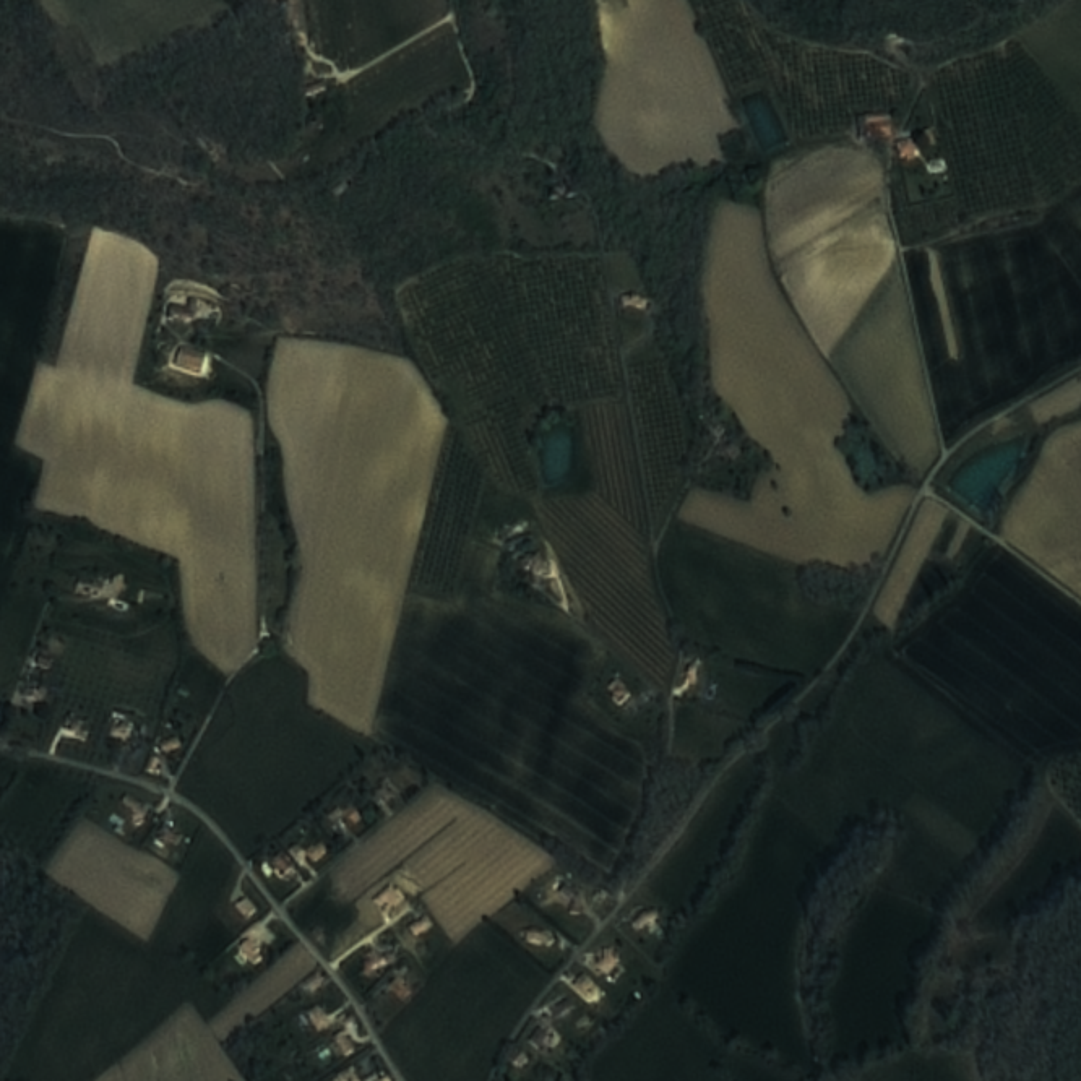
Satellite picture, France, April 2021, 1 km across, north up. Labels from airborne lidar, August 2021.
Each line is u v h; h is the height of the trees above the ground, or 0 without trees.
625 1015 12
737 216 0
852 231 0
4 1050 16
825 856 0
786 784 0
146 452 0
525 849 0
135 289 0
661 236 18
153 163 0
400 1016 0
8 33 6
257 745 0
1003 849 22
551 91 27
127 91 10
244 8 16
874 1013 0
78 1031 0
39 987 17
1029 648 0
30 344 0
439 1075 0
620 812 0
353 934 0
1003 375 0
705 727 0
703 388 18
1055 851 0
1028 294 0
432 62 0
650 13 0
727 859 14
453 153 16
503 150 15
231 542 0
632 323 0
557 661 0
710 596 0
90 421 0
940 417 0
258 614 0
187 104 9
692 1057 0
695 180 11
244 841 0
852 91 6
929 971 24
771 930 0
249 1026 10
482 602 0
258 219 7
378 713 0
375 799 10
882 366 0
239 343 0
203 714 0
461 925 0
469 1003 0
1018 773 0
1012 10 21
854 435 16
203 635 0
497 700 0
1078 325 0
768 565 0
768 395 0
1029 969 16
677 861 0
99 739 7
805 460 0
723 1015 0
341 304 7
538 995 0
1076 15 0
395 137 15
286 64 16
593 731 0
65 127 0
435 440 0
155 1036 0
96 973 0
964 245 0
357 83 0
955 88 6
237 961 0
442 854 0
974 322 0
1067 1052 12
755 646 0
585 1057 16
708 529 0
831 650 0
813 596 16
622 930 0
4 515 0
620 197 15
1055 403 0
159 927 0
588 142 20
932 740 0
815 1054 9
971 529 0
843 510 0
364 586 0
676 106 0
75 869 0
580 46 23
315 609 0
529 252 6
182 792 0
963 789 0
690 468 16
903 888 0
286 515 12
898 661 0
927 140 13
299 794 0
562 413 9
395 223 7
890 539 0
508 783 0
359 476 0
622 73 0
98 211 17
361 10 0
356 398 0
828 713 14
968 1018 14
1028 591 0
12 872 29
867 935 0
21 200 15
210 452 0
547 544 0
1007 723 0
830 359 0
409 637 0
